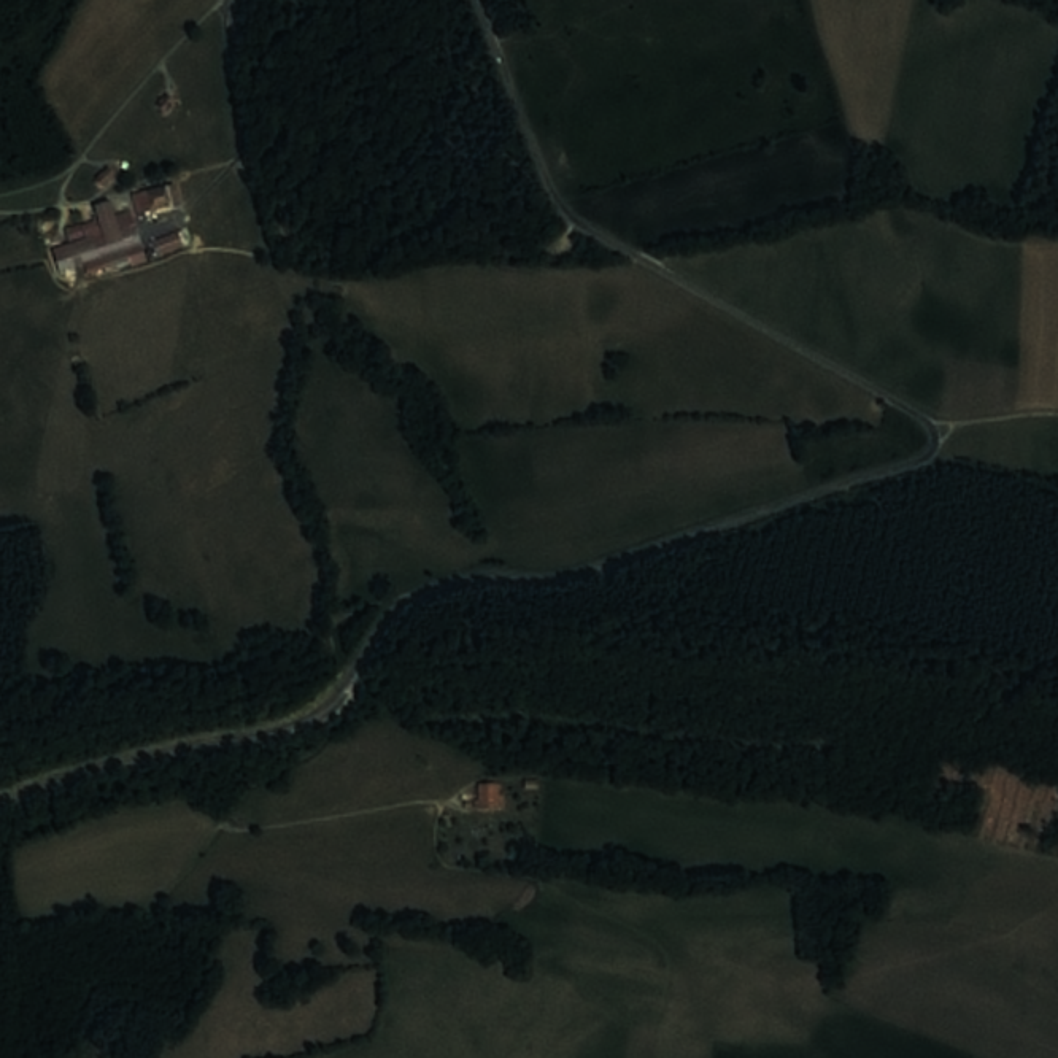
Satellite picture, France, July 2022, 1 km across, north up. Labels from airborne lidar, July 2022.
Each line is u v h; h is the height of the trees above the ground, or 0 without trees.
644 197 0
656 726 25
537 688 21
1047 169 23
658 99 0
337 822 0
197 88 0
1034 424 0
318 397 0
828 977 17
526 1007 0
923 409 0
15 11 7
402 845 0
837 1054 0
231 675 13
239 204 0
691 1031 0
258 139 25
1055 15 15
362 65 26
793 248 0
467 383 0
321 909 0
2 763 21
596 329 0
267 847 0
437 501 0
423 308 0
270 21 28
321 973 23
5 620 18
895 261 0
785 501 0
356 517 0
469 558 0
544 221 15
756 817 0
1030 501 19
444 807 0
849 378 0
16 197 0
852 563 19
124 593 18
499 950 19
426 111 29
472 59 23
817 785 30
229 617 0
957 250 0
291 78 27
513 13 14
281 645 21
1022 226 18
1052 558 24
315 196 23
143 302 0
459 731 27
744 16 0
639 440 0
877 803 26
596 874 26
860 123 0
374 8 27
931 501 20
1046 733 21
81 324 0
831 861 0
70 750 20
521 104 0
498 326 0
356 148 27
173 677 27
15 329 0
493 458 0
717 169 0
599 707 25
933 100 0
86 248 0
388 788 0
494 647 27
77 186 0
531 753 30
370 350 18
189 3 0
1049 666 21
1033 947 0
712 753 26
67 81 0
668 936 0
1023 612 24
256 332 0
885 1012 0
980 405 0
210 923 26
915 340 0
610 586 26
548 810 0
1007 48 0
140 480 0
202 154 0
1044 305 0
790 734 19
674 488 0
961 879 0
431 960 0
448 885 0
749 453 0
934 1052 0
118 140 0
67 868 0
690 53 0
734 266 0
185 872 0
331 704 0
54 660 19
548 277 0
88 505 0
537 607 24
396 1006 0
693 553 18
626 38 0
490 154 32
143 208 0
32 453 0
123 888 0
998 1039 0
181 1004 9
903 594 21
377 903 0
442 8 22
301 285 0
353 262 16
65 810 27
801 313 0
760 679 16
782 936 0
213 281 0
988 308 0
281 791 13
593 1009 0
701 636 28
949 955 0
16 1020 14
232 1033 0
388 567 0
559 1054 0
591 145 0
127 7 0
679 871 20
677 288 0
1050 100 10
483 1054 0
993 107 0
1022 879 0
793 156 0
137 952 23
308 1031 0
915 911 0
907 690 16
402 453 0
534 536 0
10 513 0
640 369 0
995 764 17
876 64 0
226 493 0
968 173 0
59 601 0
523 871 17
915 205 18
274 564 0
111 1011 20
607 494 0
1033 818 0
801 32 0
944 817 16
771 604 17
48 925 17
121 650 0
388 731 0
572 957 0
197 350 0
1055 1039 0
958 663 36
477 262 17
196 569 0
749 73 0
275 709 10
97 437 0
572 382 0
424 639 20
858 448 0
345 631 14
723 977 0
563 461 0
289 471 22
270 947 18
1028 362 0
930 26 0
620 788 24
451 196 24
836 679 18
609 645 27
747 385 0
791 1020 0
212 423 0
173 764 27
